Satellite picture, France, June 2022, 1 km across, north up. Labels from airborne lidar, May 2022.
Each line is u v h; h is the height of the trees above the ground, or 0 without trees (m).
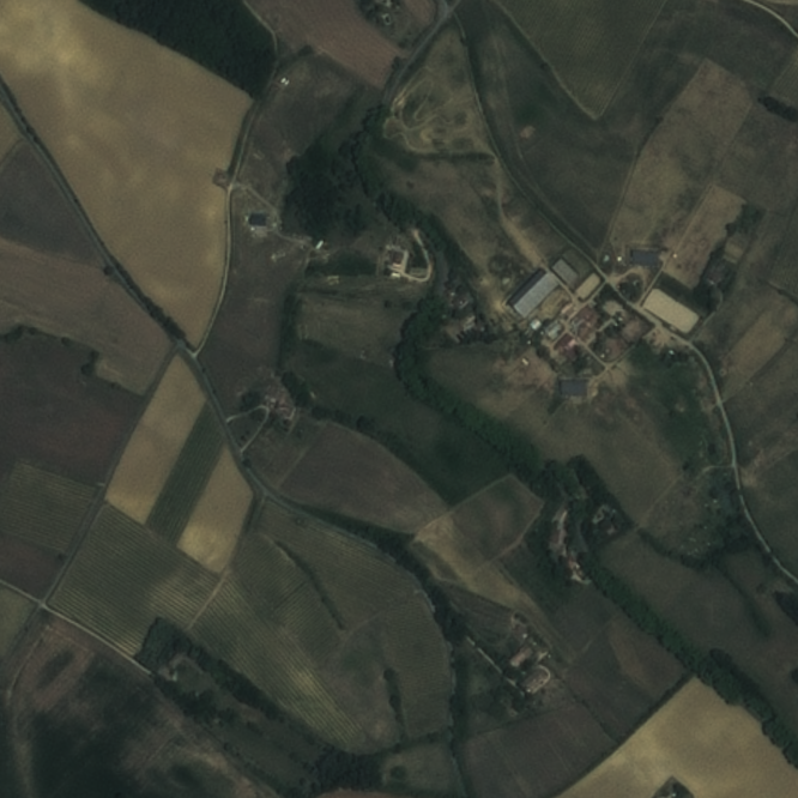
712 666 20
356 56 0
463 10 0
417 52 0
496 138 0
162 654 11
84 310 0
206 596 0
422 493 0
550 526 7
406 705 0
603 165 0
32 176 0
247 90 14
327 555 0
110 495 0
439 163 0
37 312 0
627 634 0
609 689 0
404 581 0
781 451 0
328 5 0
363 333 0
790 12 0
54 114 0
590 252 0
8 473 0
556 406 0
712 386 0
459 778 0
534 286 0
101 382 0
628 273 0
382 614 0
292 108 0
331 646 0
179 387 0
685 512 0
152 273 0
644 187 0
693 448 0
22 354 0
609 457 0
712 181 0
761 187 0
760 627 7
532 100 0
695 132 0
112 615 0
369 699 0
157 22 18
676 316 0
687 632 0
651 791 0
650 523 0
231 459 0
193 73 0
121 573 0
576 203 0
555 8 0
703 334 0
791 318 0
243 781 0
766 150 0
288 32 0
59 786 0
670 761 0
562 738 0
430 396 22
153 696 0
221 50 8
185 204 0
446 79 0
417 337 24
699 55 0
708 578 0
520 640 0
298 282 0
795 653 0
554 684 0
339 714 0
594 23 0
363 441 0
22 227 0
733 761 0
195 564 0
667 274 0
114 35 0
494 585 0
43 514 0
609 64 0
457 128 0
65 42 0
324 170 9
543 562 9
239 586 0
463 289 11
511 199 0
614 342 0
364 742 0
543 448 0
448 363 0
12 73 0
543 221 0
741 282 0
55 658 0
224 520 0
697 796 0
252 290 0
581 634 0
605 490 6
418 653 0
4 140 0
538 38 0
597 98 0
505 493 0
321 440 0
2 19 0
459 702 10
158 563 0
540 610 0
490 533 0
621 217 0
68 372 0
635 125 0
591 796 0
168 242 0
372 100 0
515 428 0
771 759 0
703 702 0
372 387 0
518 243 0
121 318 0
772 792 0
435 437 0
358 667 0
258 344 0
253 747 0
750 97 0
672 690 8
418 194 0
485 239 0
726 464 0
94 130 0
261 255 0
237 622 0
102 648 0
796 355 0
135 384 0
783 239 0
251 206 0
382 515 0
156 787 0
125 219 0
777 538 0
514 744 0
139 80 0
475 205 0
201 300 0
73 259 0
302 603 0
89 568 0
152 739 0
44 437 0
